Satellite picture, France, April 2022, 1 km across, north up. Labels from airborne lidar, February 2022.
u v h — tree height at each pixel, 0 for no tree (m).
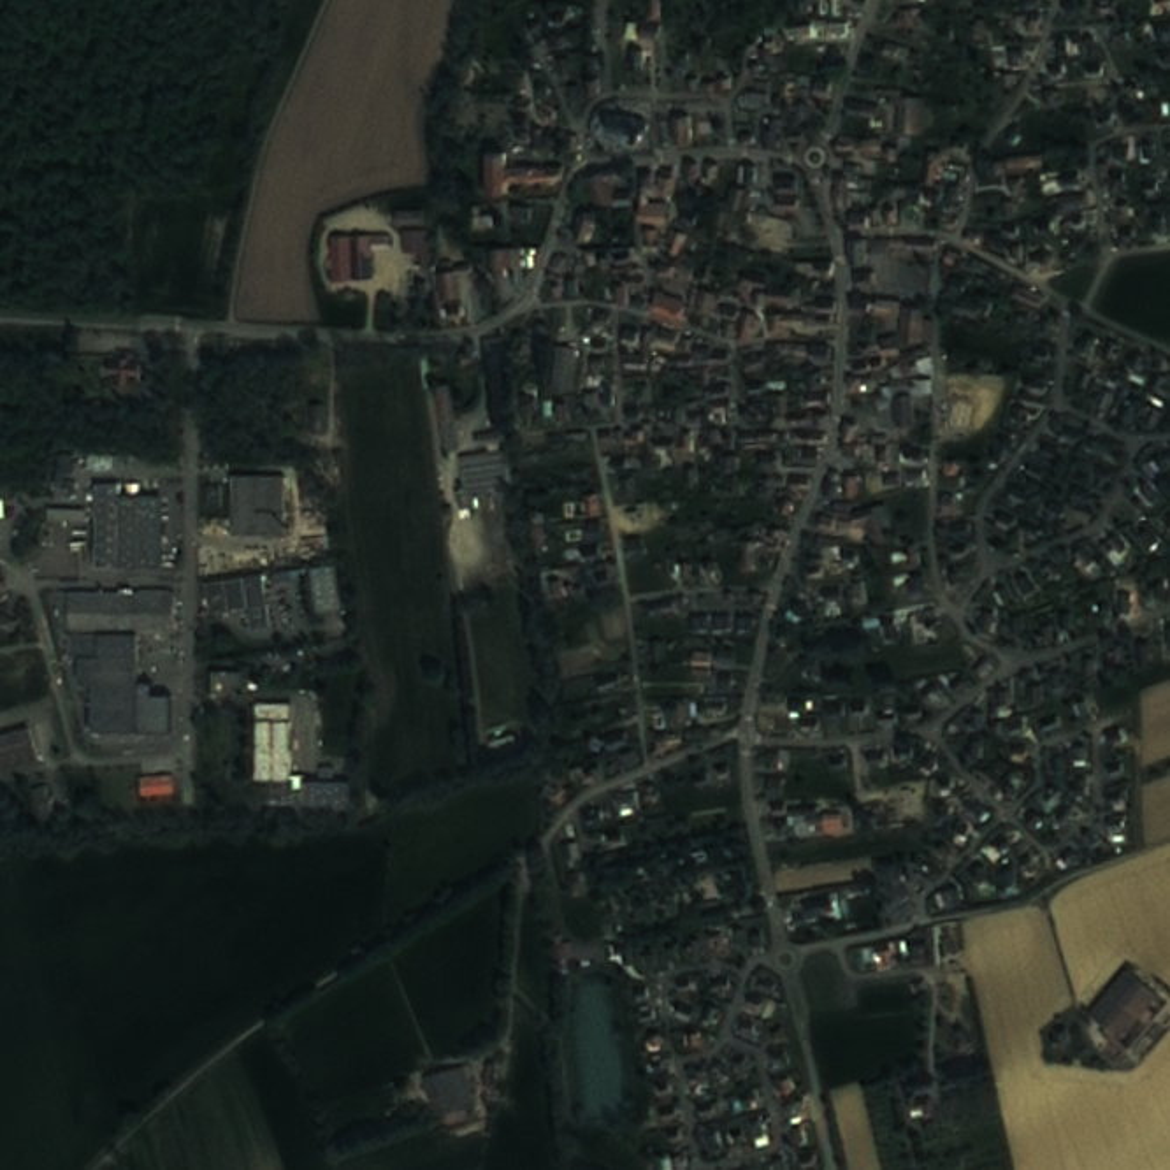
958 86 0
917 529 0
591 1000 0
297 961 0
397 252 0
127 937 0
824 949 0
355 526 0
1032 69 0
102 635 0
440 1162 0
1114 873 0
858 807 19
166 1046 0
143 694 0
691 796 0
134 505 0
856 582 0
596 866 13
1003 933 0
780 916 0
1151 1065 0
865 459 0
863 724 0
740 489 0
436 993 0
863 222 0
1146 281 0
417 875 0
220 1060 0
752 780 0
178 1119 0
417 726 0
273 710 0
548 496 8
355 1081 0
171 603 0
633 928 11
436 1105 0
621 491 0
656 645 0
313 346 21
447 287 0
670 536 0
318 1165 0
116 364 0
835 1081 0
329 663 10
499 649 0
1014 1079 0
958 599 0
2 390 23
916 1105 0
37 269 18
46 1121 0
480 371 9
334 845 0
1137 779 0
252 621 0
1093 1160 0
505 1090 0
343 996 0
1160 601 9
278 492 0
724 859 9
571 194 10
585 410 13
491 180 0
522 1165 0
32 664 0
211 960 0
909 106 0
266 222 0
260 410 23
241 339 0
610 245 6
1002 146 0
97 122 22
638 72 0
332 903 0
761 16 11
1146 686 0
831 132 0
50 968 0
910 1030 0
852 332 0
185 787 0
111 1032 0
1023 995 0
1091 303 0
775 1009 0
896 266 0
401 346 12
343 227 0
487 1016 0
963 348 0
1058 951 0
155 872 0
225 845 0
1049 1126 0
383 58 0
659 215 0
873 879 13
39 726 0
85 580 0
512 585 0
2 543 0
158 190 19
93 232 21
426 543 0
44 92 21
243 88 0
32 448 15
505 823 0
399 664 0
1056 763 0
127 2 23
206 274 0
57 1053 0
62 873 0
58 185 14
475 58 14
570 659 0
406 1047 0
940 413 0
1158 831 0
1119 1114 0
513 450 14
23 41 21
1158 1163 0
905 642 7
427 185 0
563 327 0
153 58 25
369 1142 20
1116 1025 0
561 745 15
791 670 0
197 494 0
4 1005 0
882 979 0
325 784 0
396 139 0
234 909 0
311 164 0
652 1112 0
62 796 0
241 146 24
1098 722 0
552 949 12
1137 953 0
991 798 0
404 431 0
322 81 0
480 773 15
